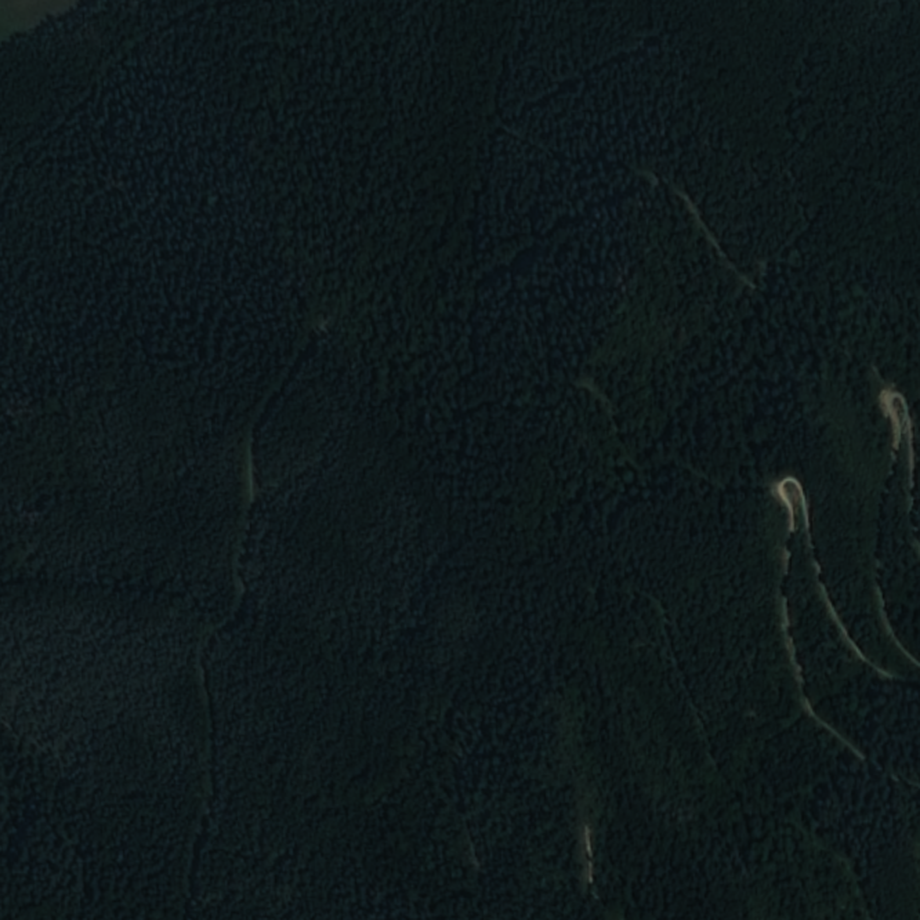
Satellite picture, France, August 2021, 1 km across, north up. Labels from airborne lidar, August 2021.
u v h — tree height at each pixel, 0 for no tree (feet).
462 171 91
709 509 96
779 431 88
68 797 73
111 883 85
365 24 46
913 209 74
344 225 80
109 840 52
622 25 55
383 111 70
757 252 98
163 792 65
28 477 39
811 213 77
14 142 64
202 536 54
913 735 118
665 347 30
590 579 94
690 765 60
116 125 90
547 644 83
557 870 40
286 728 61
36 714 42
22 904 97
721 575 45
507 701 73
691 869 67
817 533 57
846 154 65
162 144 100
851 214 70
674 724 76
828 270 60
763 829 53
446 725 19
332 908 70
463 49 69
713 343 42
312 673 67
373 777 82
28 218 82
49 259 96
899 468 69
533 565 93
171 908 82
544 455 88
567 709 44
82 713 38
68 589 71
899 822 94
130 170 38
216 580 45
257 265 28
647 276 47
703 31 83
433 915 49
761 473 57
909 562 91
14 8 0
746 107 80
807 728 69
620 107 81
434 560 63
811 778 56
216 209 44
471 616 84
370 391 77
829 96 47
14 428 65
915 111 60
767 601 64
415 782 18
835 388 22
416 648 80
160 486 49
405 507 60
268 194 69
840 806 104
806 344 56
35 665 32
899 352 24
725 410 66
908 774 104
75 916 68
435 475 60
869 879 75
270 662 75
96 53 69
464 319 71
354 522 61
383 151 77
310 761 48
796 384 18
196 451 50
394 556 50
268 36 81
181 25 74
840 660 61
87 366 19
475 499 94
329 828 67
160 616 55
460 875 41
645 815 61
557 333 82
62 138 62
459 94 57
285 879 73
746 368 32
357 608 44
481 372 72
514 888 20
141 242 86
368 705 39
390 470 52
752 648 37
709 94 99
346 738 76
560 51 95
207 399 42
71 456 47
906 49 74
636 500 51
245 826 56
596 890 36
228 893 46
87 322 53
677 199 55
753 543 67
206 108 84
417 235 94
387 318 73
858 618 19
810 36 85
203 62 70
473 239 57
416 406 96
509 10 83
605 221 120
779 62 82
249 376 76
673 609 59
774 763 61
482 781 67
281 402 52
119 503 59
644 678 57
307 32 63
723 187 77
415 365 74
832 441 38
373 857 37
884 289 65
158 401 57
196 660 46
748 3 76
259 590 36
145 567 49
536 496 91
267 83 95
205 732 61
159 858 63
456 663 92
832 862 45
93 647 38
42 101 64
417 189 84
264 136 69
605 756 68
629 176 83
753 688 52
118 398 44
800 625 30
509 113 82
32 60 52
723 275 94
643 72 81
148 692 42
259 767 46
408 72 92
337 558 74
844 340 39
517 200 100
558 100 80
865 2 58
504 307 90
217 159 99
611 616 70
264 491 46
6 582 65
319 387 61
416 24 85
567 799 38
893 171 65
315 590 59
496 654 85
